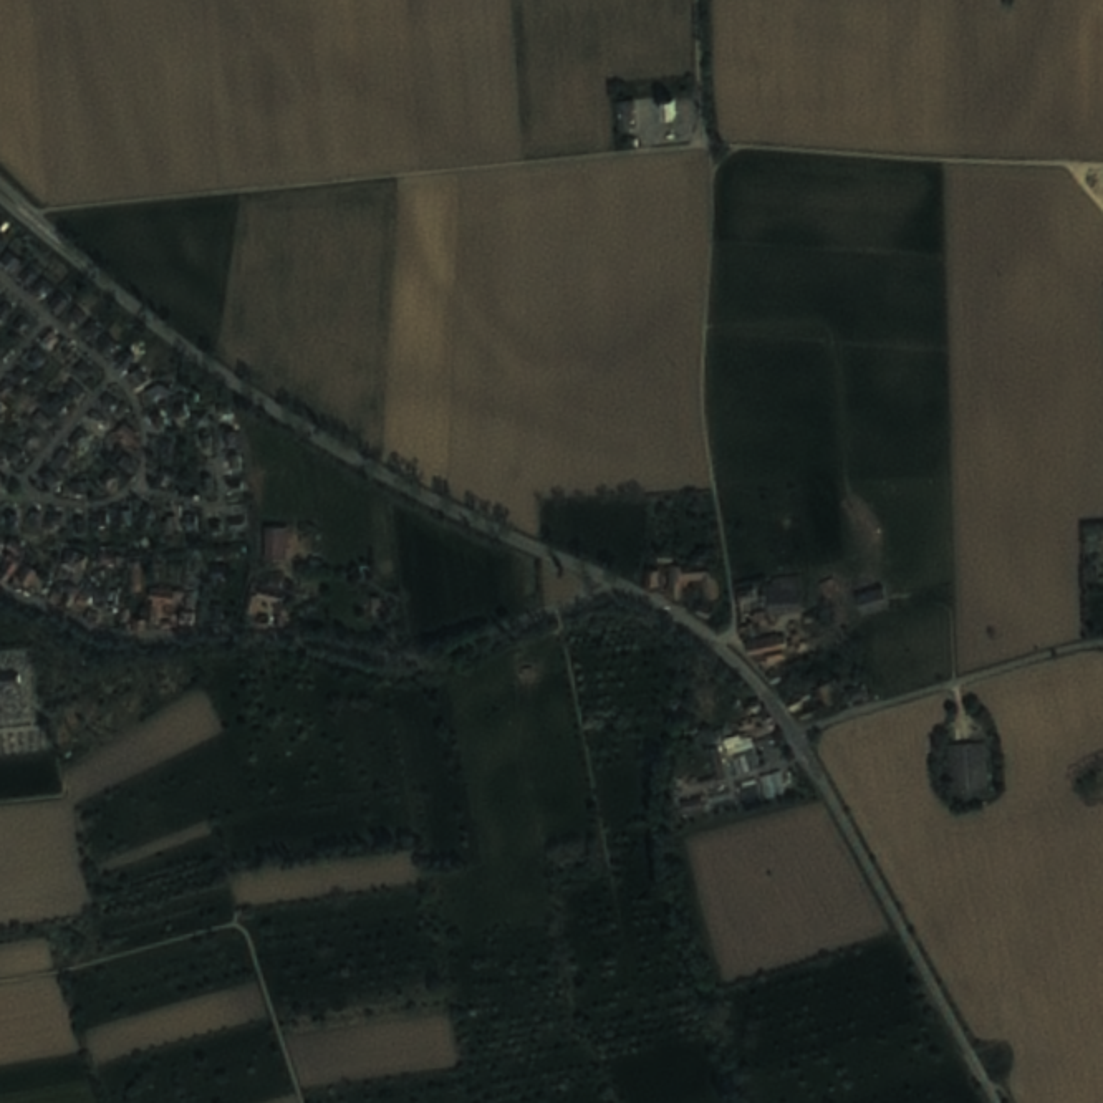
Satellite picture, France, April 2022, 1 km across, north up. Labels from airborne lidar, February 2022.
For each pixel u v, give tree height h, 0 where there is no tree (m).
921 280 0
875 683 0
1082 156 0
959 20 0
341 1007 0
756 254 0
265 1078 0
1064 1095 0
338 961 0
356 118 0
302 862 11
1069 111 0
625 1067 0
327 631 13
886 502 0
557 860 9
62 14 0
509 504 0
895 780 0
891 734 0
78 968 0
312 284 0
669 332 0
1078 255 0
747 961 0
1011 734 0
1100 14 0
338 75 0
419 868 14
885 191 0
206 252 0
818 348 0
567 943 8
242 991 0
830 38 0
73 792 0
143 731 0
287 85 0
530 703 0
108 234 0
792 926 0
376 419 0
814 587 0
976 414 0
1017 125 0
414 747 0
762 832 0
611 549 0
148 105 0
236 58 0
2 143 0
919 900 0
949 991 0
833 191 0
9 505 0
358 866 0
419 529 0
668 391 0
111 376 0
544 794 0
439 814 0
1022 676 0
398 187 0
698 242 0
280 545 0
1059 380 0
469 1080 7
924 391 0
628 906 0
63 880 0
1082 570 7
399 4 0
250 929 0
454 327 0
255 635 16
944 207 0
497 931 7
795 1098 0
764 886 0
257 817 0
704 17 18
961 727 0
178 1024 0
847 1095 0
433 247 0
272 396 0
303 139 0
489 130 0
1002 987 0
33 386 8
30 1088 0
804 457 0
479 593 0
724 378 0
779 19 0
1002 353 0
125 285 0
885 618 0
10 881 0
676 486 0
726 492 0
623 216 0
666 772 29
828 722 0
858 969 0
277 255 0
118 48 0
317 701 0
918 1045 6
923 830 0
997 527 0
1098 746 0
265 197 0
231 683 0
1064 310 0
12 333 8
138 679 0
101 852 0
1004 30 0
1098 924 0
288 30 0
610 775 0
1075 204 0
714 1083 0
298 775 0
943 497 0
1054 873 0
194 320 0
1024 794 0
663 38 0
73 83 0
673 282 0
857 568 0
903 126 0
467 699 0
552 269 0
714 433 0
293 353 0
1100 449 0
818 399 0
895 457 0
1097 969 0
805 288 0
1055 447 0
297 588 12
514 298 0
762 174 0
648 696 0
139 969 0
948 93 0
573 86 0
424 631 0
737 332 0
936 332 0
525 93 0
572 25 0
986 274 0
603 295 0
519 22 0
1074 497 0
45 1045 0
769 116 0
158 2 0
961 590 0
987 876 0
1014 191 0
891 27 0
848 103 0
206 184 0
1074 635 0
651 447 0
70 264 0
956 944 0
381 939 6
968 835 0
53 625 10
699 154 0
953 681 0
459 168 0
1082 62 0
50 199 0
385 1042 0
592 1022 8
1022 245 0
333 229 0
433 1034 0
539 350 0
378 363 0
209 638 13
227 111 0
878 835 0
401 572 0
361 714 0
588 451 0
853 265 0
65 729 0
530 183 0
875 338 0
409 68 0
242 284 0
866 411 0
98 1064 0
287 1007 0
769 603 0
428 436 0
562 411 0
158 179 0
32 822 0
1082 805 0
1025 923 0
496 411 0
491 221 0
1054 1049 0
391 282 0
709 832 0
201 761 0
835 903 0
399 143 0
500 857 0
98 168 0
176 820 0
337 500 0
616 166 0
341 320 0
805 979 0
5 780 0
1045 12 0
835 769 0
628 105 0
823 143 0
